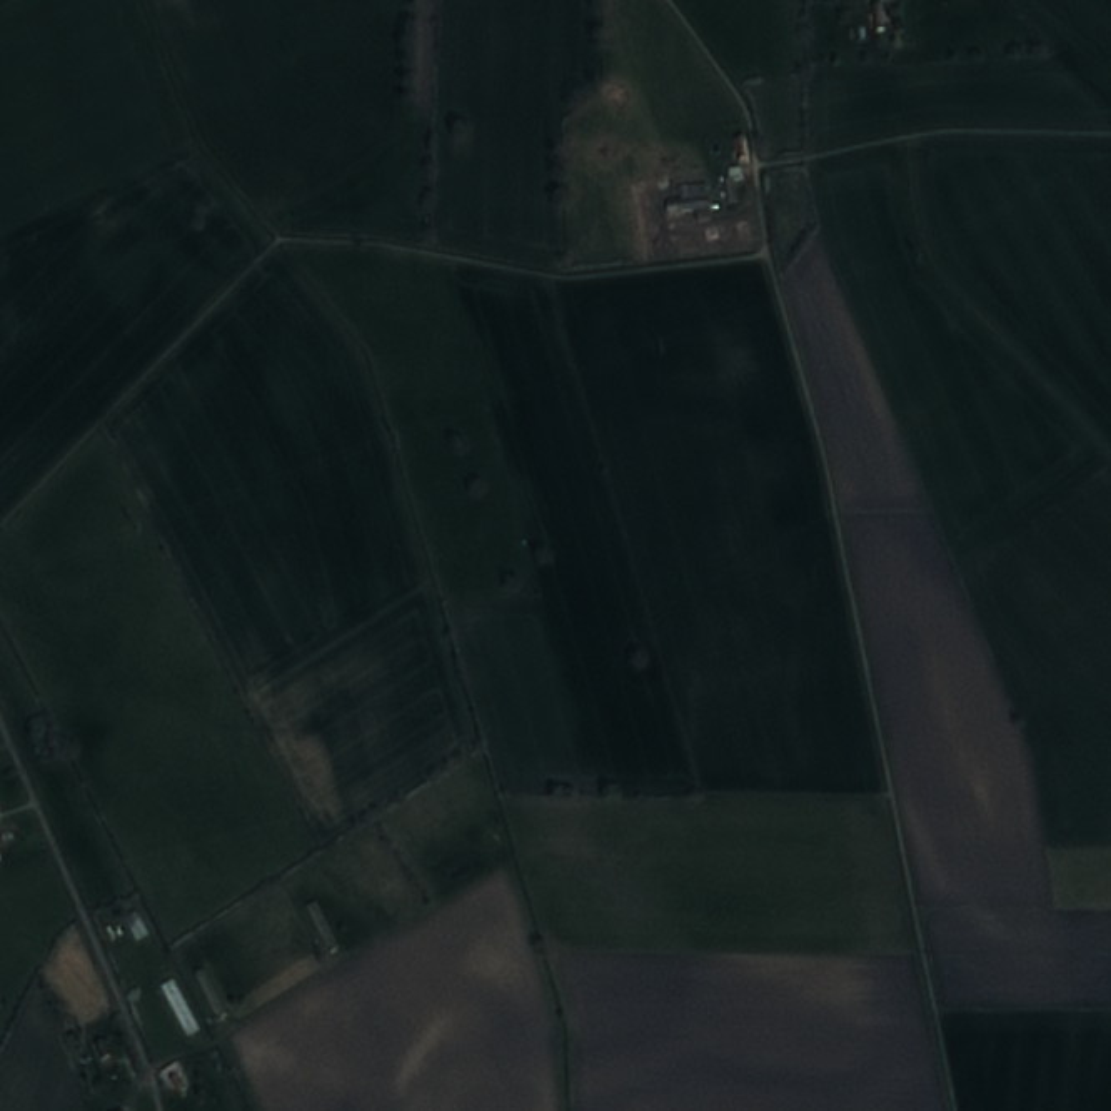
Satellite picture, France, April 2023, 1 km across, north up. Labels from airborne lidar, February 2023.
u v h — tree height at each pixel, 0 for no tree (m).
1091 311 0
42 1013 0
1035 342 0
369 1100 0
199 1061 0
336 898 0
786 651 0
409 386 0
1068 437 0
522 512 0
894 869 0
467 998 0
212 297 0
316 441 0
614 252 0
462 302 0
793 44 0
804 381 0
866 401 0
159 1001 0
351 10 0
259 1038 0
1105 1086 0
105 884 0
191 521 0
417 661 0
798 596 0
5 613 0
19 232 0
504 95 0
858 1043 0
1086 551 0
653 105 0
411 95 14
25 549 0
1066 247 0
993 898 0
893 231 0
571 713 0
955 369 0
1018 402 0
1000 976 0
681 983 0
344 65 0
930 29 0
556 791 14
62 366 0
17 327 0
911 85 0
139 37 0
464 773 0
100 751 0
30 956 0
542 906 0
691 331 0
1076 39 0
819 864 0
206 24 0
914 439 0
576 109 19
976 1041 0
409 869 7
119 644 0
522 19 0
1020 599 0
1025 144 0
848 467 0
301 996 0
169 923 0
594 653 0
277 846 0
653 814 0
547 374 0
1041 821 0
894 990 0
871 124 0
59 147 0
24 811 0
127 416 0
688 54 0
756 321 0
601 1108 0
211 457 0
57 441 0
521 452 0
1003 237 0
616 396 0
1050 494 0
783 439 0
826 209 0
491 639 0
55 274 0
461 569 0
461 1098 0
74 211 0
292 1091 0
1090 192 0
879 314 0
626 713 0
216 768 0
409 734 0
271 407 0
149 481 0
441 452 0
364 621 0
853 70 0
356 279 0
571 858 0
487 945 0
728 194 0
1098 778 0
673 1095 0
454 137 15
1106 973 0
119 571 0
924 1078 0
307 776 0
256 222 0
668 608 0
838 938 0
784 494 0
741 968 0
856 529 0
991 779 0
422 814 0
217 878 0
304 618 0
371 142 0
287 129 0
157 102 0
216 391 0
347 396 0
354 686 0
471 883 0
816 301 0
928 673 0
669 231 0
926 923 0
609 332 0
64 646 0
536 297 0
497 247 0
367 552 0
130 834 0
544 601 0
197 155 0
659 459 0
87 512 0
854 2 19
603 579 0
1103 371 0
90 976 0
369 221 0
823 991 0
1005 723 0
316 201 0
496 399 0
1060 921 0
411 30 18
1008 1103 0
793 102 0
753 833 0
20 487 0
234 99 0
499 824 0
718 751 0
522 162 0
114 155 0
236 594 0
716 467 0
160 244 0
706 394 0
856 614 0
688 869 0
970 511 0
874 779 0
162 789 0
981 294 0
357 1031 0
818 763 0
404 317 0
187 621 0
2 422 0
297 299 0
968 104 0
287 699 0
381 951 0
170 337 0
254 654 0
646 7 0
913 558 0
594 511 0
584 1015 0
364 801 0
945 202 0
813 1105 0
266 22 0
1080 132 0
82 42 0
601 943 0
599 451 0
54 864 0
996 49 0
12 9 0
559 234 0
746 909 0
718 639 0
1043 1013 0
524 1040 0
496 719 0
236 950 0
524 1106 0
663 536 0
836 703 0
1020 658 0
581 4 0
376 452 0
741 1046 0
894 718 0
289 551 0
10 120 0
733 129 0
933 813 0
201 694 0
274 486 0
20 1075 0
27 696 0
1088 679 0
